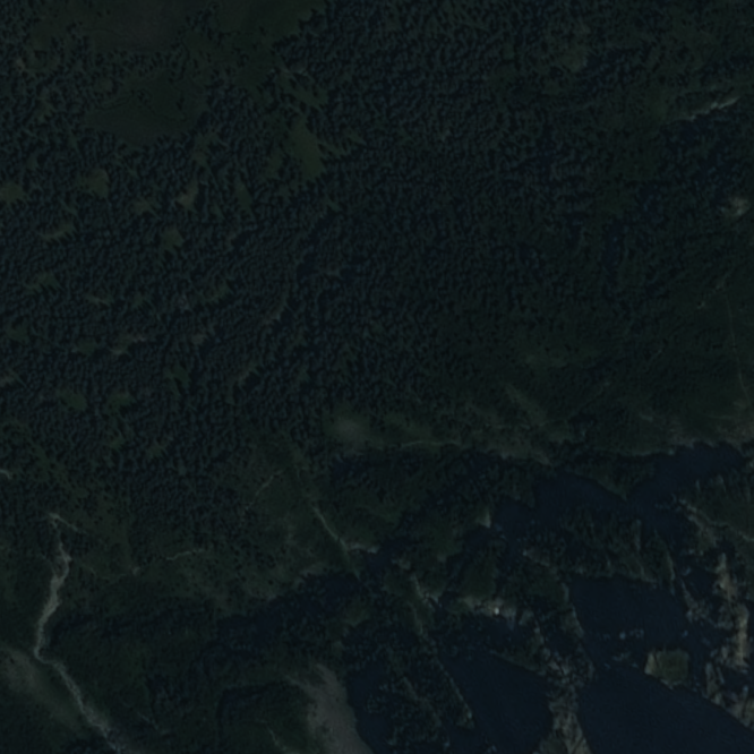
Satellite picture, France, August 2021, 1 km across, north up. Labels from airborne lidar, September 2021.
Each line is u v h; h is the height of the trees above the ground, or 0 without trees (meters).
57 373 25
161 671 6
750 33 8
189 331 26
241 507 17
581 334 6
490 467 11
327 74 25
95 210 25
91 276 19
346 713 0
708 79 8
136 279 9
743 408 0
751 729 0
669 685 0
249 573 0
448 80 17
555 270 6
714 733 0
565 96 6
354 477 11
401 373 23
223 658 7
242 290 26
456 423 9
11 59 19
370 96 21
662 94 0
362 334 20
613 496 0
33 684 0
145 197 17
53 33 0
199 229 21
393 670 8
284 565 0
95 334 17
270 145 6
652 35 7
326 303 23
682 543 7
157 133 0
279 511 0
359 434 0
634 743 0
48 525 15
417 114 15
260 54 0
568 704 0
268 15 0
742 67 12
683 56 11
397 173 10
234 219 26
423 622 0
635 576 0
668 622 0
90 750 10
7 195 0
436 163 10
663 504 11
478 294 15
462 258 16
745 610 0
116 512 8
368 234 14
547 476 6
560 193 23
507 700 0
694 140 11
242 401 22
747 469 7
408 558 7
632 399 0
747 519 0
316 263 27
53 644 6
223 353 31
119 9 0
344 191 19
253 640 5
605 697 0
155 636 10
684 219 9
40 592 6
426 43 21
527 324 8
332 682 0
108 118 0
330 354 21
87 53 20
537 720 7
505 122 28
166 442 20
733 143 6
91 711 0
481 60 21
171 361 24
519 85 11
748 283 0
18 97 13
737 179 7
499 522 0
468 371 6
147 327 27
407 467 7
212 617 8
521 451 0
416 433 0
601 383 8
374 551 0
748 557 0
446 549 0
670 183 6
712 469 0
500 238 8
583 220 20
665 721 0
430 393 10
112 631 6
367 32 24
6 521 13
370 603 7
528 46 19
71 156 25
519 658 6
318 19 15
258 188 18
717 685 0
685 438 0
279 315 27
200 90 0
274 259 22
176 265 23
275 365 8
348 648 7
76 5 0
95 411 25
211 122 20
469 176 13
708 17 10
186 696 7
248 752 0
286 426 26
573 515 10
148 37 0
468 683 6
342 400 22
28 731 6
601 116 10
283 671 0
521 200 15
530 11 18
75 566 8
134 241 26
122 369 24
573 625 0
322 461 18
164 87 0
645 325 7
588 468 8
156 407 19
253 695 7
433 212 14
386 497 14
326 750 0
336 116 19
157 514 12
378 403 16
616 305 12
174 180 24
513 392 0
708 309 0
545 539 7
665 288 10
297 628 6
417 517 6
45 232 20
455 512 13
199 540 5
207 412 30
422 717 10
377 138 25
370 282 23
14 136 23
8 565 6
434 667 9
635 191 13
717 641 0
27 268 22
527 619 0
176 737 6
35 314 24
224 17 0
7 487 13
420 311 10
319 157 0
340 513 9
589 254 14
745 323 0
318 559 0
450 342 13
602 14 13
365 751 0
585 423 7
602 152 10
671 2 12
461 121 18
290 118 25
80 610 9
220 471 18
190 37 0
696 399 0
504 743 8
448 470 7
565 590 0
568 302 19
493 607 0
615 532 8
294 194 17
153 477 21
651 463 8
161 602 6
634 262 13
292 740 0
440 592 0
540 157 12
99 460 8
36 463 20
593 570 6
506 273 8
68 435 20
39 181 22
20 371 23
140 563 8
